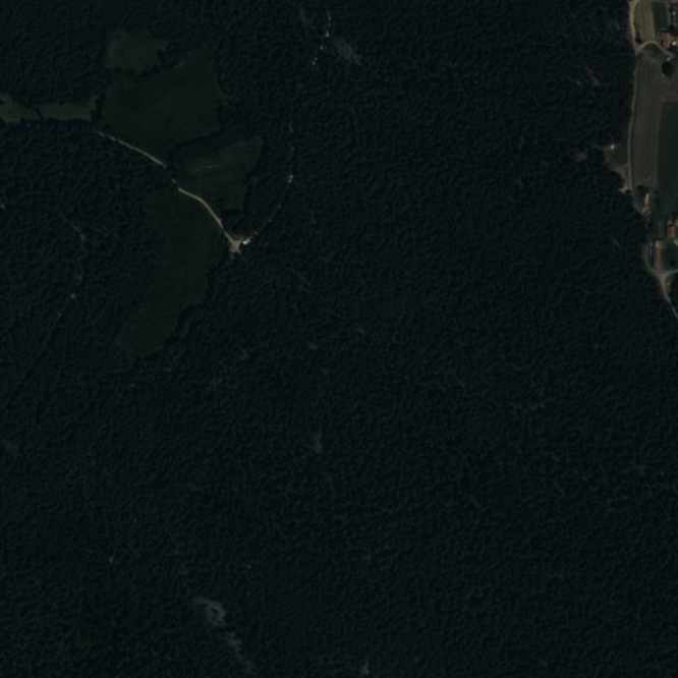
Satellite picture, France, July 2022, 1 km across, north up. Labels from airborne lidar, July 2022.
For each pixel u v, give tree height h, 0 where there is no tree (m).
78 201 22
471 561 20
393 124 10
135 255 29
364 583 24
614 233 24
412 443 20
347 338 24
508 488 22
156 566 26
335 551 28
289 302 17
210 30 21
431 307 20
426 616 21
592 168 13
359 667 19
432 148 20
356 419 17
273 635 22
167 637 26
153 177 20
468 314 25
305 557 27
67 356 22
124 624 26
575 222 25
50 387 24
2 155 33
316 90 22
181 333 12
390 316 15
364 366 21
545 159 24
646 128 0
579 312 27
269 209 26
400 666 17
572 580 26
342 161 16
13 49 28
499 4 26
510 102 25
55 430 30
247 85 20
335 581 29
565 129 27
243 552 20
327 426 22
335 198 26
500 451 21
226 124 19
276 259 15
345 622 21
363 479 18
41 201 25
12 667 33
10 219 29
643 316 27
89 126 26
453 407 22
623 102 17
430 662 19
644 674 27
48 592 27
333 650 18
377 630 21
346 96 22
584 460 10
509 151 25
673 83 0
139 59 0
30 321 28
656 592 22
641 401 20
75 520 21
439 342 24
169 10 20
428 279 22
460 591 26
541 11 26
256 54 16
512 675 23
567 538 22
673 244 0
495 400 8
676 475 23
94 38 28
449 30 24
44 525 17
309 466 22
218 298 21
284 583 17
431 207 24
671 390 22
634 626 26
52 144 30
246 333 22
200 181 0
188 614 16
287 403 20
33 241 27
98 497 21
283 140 23
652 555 20
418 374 20
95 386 30
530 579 30
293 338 21
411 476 20
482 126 24
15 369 26
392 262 22
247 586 18
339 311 22
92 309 27
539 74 24
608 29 19
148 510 23
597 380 13
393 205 23
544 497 11
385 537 15
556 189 27
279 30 30
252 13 23
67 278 16
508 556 20
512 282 25
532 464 15
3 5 25
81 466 17
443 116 27
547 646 24
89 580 21
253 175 21
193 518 20
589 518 23
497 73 21
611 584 22
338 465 23
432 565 23
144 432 21
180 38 21
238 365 20
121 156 30
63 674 33
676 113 0
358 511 7
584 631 26
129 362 19
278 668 23
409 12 27
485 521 34
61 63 26
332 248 18
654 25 0
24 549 23
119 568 16
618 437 18
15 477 21
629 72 15
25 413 27
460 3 26
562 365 8
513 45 7
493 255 21
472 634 23
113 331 11
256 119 23
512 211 20
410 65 24
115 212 22
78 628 8
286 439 30
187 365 22
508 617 22
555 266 26
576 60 21
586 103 17
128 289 21
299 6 17
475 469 10
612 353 19
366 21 21
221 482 17
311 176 19
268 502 13
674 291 8
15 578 20
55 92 29
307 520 27
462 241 13
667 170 0
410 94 24
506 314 23
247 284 15
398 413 22
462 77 20
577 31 25
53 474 18
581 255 23
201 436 24
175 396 23
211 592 23
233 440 26
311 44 28
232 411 23
